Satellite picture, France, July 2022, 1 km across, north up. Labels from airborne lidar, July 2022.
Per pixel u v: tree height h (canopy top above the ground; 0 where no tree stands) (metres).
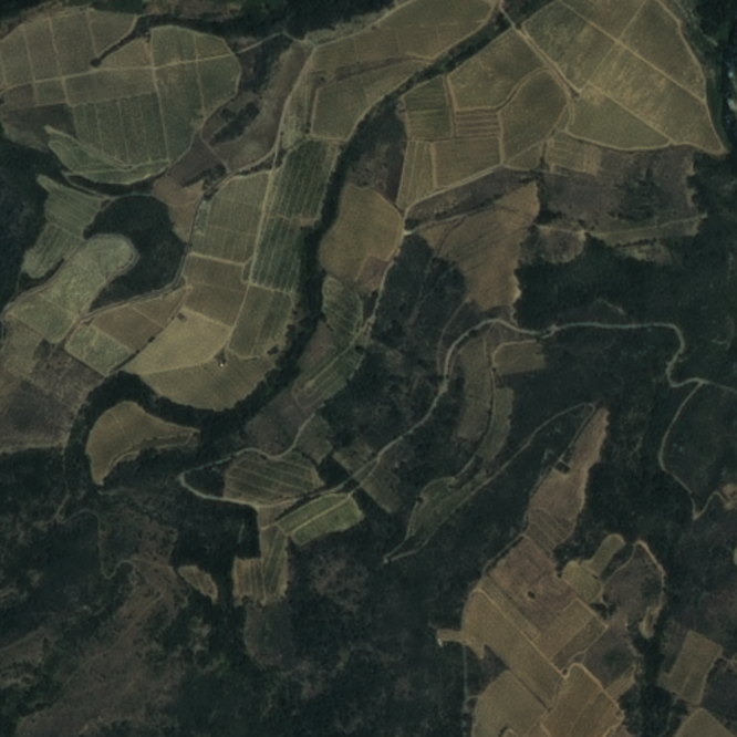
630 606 0
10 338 0
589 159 0
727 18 13
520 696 0
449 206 0
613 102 0
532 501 0
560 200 0
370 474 0
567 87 0
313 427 0
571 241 0
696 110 0
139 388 9
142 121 0
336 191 8
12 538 7
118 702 0
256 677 10
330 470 6
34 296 0
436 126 0
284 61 0
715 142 0
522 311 7
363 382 6
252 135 0
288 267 0
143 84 0
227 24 10
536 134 0
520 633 0
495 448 0
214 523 8
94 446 0
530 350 0
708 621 0
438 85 0
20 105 0
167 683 0
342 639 6
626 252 0
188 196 0
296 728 10
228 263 0
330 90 0
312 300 14
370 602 7
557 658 0
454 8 0
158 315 0
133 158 0
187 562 8
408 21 0
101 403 10
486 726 0
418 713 0
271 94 0
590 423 0
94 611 7
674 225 0
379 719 6
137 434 0
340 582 5
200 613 6
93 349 0
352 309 0
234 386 0
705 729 0
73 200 0
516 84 0
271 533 0
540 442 0
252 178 0
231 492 0
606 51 0
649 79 0
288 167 0
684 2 0
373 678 5
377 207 0
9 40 0
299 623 10
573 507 0
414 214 0
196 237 0
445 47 0
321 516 0
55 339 0
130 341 0
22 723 0
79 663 0
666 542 8
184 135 0
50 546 6
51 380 0
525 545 0
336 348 0
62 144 0
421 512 0
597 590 0
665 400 6
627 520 6
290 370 7
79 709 0
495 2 0
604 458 6
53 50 0
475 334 7
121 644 0
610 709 0
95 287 0
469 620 0
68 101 0
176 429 0
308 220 0
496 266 0
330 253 0
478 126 0
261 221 0
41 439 0
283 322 0
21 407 0
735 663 0
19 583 8
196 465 8
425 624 0
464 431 0
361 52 0
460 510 6
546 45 0
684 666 0
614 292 6
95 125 0
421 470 5
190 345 0
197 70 0
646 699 11
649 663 7
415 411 6
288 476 0
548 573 0
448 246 0
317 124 0
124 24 0
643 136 0
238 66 0
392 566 7
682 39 0
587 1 0
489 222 0
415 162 0
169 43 0
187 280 0
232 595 10
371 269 0
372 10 7
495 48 0
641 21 0
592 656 0
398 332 5
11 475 6
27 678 6
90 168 0
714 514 5
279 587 0
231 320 0
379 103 6
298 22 7
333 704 8
